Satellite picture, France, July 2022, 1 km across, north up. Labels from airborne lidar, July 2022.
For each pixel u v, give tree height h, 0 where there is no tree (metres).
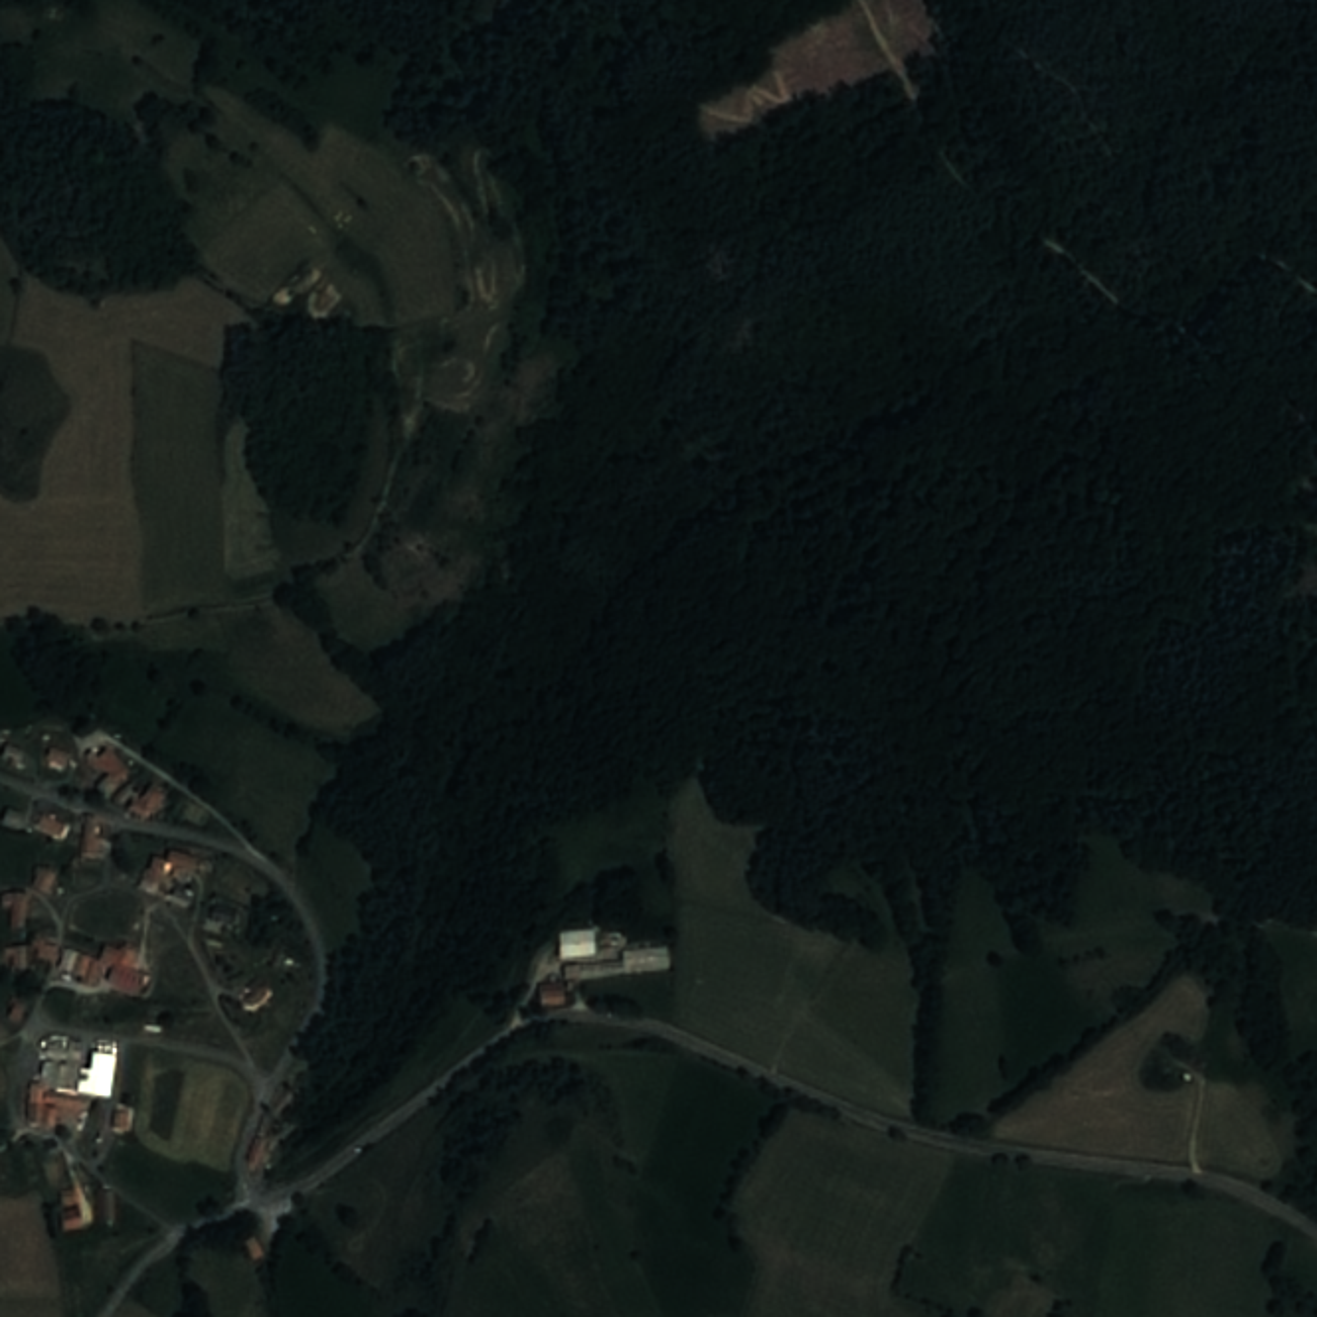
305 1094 6
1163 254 14
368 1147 7
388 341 10
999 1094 0
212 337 0
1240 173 33
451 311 0
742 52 30
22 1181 0
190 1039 0
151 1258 0
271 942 11
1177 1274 0
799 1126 0
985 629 27
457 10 17
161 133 14
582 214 26
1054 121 22
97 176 16
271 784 0
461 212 0
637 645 32
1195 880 12
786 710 25
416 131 14
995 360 33
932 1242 0
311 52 12
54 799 0
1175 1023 0
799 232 22
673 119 28
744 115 0
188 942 0
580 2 24
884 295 28
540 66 26
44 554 0
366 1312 0
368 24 26
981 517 32
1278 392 19
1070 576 26
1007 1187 0
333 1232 0
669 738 25
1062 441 28
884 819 26
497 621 20
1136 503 33
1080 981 0
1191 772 26
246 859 0
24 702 0
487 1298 0
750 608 30
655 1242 0
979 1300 0
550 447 17
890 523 28
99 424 0
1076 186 15
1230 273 17
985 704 28
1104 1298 0
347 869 0
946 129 31
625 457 22
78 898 0
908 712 28
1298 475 25
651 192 24
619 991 0
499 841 23
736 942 0
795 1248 0
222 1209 17
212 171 0
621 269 25
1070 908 17
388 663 23
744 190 21
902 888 22
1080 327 32
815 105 24
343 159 0
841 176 25
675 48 31
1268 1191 12
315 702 0
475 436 6
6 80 8
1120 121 18
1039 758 29
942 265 33
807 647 32
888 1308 0
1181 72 23
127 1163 0
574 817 16
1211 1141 0
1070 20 20
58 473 0
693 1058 0
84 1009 0
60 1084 0
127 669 0
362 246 0
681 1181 0
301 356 17
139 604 0
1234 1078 0
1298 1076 16
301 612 20
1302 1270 0
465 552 0
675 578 36
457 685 22
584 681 31
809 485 30
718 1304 0
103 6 0
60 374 0
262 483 11
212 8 17
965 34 25
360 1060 19
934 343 21
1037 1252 0
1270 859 20
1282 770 30
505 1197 0
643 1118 0
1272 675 30
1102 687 29
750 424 18
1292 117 35
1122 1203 0
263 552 0
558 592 27
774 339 17
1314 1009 0
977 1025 0
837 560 19
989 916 0
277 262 0
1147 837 20
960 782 25
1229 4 22
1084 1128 0
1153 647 29
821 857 22
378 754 21
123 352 0
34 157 10
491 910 23
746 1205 0
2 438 0
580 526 27
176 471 0
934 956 16
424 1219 0
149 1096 0
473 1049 0
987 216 31
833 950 0
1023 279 21
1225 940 12
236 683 0
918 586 22
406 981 28
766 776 23
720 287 24
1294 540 14
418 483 0
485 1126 12
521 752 24
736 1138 0
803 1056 0
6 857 0
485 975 19
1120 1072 0
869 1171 0
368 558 8
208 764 0
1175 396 34
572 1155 0
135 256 11
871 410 27
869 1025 0
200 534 0
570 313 18
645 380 20
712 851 0
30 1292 0
